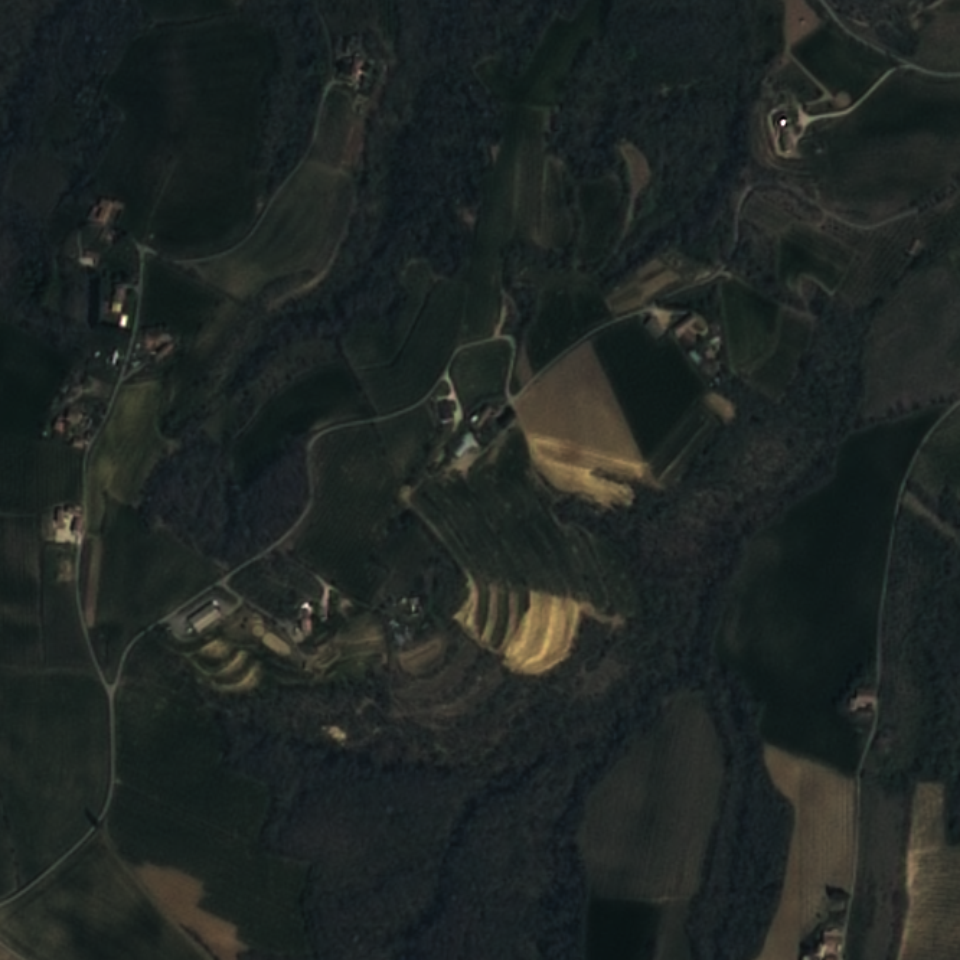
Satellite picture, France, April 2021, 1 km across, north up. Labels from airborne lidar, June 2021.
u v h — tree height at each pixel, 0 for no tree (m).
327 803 15
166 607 0
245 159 0
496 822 16
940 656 20
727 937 27
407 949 26
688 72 9
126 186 0
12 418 0
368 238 19
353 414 0
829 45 0
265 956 8
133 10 15
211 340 0
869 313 11
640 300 0
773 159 0
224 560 14
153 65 0
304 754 19
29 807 0
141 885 0
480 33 16
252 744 29
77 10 17
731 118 13
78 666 0
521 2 25
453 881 21
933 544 11
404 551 0
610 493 0
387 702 14
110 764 0
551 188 0
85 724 0
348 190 0
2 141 25
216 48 0
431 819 14
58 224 0
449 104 20
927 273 0
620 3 20
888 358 0
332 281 8
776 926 0
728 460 11
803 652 0
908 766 6
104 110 8
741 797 20
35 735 0
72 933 0
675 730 0
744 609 0
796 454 13
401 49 17
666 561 27
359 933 13
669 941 0
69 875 0
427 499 7
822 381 20
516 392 0
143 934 0
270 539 18
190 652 0
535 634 0
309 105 14
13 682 0
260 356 12
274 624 7
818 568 0
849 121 0
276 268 0
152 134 0
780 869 13
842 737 0
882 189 0
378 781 28
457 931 15
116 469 0
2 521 0
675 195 17
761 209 0
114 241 9
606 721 15
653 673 18
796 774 0
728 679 21
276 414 0
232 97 0
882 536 0
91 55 15
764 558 0
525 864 17
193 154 0
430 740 17
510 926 23
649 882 0
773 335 0
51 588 0
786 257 0
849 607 0
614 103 19
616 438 0
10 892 0
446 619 6
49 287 6
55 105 9
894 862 0
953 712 18
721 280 0
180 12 0
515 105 0
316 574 8
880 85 0
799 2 0
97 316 14
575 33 0
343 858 9
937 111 0
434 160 21
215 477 27
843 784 0
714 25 22
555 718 18
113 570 0
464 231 16
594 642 13
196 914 0
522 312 14
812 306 6
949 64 0
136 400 0
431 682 7
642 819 0
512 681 11
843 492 0
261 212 0
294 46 21
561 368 0
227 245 0
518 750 18
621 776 0
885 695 10
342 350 15
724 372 7
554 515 9
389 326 13
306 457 14
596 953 0
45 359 0
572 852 21
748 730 24
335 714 16
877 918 6
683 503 16
